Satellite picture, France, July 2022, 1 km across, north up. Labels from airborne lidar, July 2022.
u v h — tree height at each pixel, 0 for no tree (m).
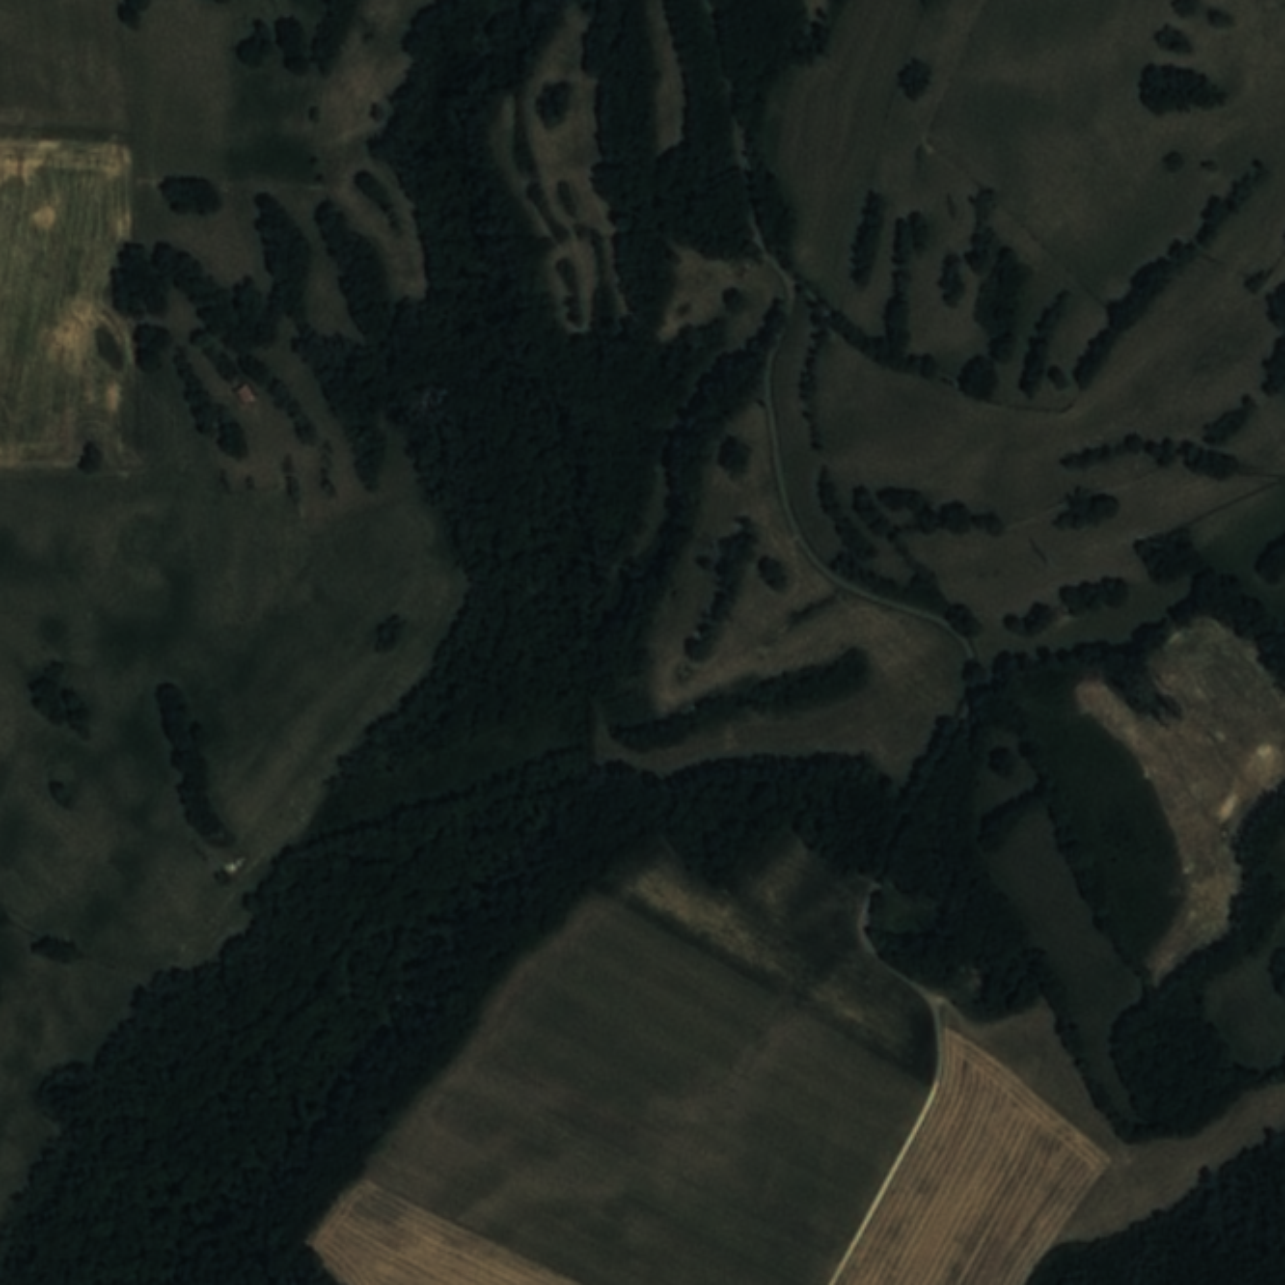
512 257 18
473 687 20
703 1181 0
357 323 13
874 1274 0
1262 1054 0
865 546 13
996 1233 0
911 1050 0
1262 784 0
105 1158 15
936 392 0
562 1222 0
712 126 19
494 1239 0
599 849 17
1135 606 0
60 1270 20
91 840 0
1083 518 12
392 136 11
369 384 23
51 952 12
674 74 0
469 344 26
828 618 0
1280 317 19
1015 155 0
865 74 0
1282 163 0
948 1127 0
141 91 0
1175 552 16
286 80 0
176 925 0
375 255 12
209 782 12
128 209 0
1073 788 0
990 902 19
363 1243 0
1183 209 0
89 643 0
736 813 9
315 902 22
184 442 0
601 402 15
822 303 11
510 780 14
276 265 17
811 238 0
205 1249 26
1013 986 16
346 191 0
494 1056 0
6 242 0
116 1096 10
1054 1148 0
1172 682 0
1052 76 0
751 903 0
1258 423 0
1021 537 0
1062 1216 0
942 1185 0
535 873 18
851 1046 0
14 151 0
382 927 19
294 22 8
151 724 0
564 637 19
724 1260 0
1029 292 0
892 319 13
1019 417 0
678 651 0
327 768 0
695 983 0
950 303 9
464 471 22
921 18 0
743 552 18
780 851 0
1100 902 17
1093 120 0
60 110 0
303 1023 22
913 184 0
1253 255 0
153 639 0
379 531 0
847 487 0
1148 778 0
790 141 0
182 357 10
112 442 0
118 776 0
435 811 20
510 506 19
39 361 0
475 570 19
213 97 0
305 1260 19
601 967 0
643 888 0
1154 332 0
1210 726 0
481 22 24
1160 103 17
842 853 11
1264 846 17
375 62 0
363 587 0
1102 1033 0
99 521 0
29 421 0
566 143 0
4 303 0
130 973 0
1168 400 0
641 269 18
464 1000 19
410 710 16
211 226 0
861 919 0
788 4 22
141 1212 23
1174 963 0
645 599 21
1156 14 0
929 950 19
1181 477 0
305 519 0
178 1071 23
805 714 0
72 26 0
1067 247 0
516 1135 0
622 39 13
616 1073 0
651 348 19
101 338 0
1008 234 0
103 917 0
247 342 16
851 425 0
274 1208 22
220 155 0
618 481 15
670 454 14
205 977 13
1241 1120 0
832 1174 0
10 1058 0
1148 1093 20
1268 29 0
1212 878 0
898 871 14
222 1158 22
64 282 0
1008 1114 0
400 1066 22
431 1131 0
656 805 17
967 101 0
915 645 0
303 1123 21
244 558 0
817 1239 0
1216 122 0
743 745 0
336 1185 14
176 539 0
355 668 0
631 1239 0
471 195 9
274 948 19
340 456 0
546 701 19
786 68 18
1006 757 17
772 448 0
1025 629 15
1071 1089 0
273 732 0
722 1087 0
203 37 0
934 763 12
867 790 9
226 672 0
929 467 0
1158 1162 0
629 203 14
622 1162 0
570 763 19
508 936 19
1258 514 0
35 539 0
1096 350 14
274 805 0
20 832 0
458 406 17
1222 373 0
